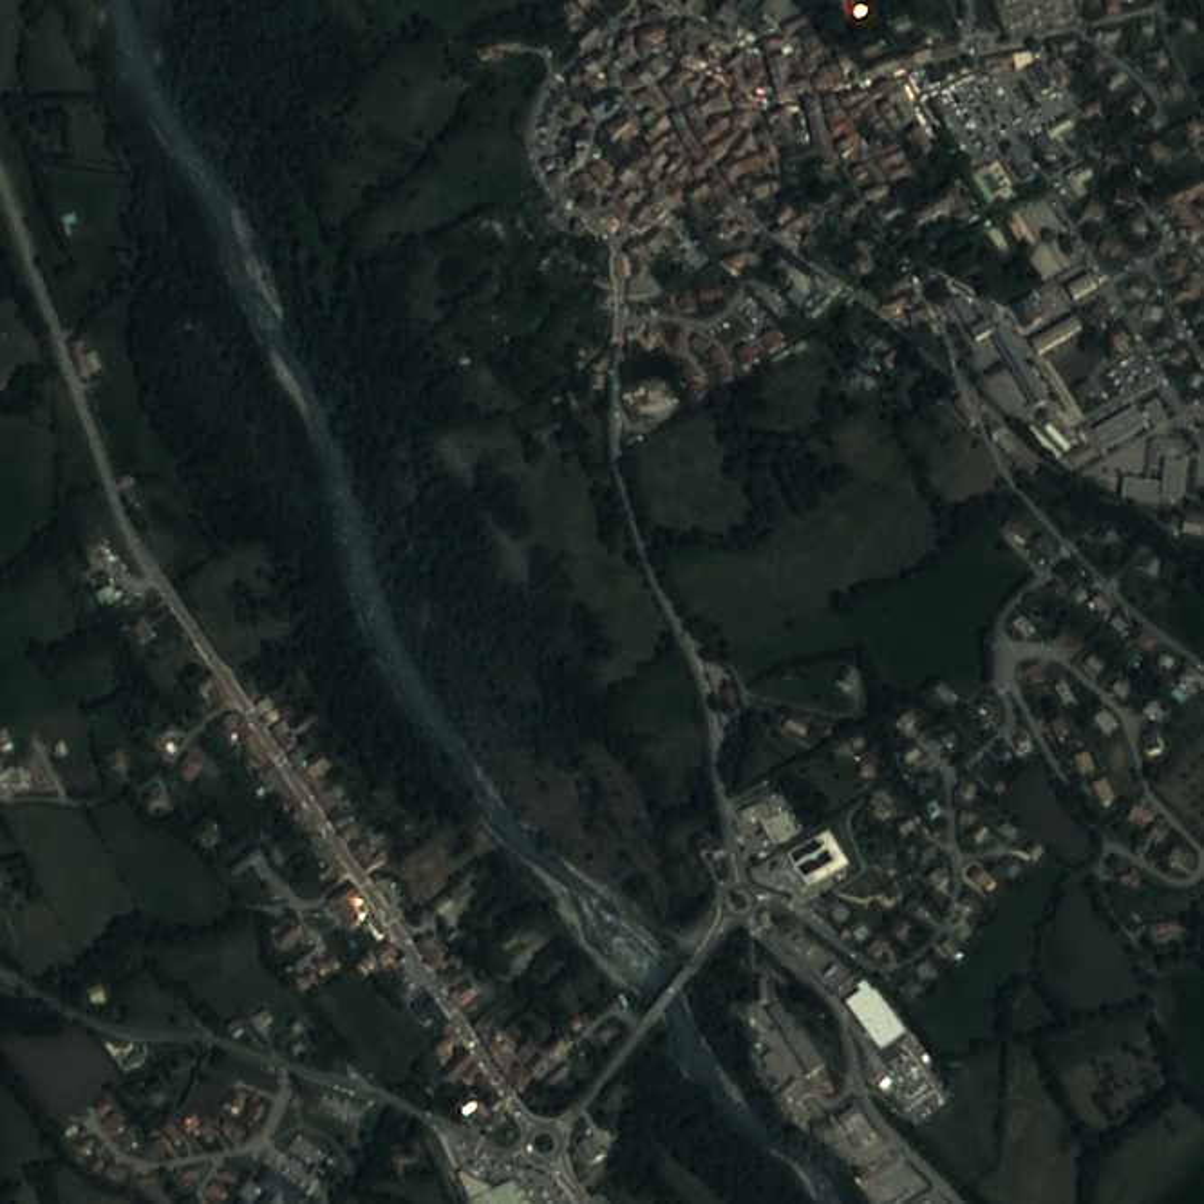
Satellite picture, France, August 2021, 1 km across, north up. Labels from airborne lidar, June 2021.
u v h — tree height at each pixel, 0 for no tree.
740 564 0
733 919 0
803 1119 0
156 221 20
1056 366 0
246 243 0
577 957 10
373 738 12
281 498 12
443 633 6
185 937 13
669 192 0
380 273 17
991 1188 0
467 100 12
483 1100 8
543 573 6
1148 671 7
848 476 17
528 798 0
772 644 0
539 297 11
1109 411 0
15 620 0
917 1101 0
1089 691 9
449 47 6
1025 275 11
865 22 9
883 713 18
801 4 15
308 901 0
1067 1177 0
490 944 8
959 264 16
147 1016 0
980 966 0
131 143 13
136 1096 8
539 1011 9
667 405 0
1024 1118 0
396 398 16
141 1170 0
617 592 0
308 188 8
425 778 19
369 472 16
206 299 15
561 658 7
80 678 0
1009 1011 17
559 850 6
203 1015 14
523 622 15
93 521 0
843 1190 8
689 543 15
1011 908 0
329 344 17
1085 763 0
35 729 0
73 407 0
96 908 0
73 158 7
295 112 13
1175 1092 13
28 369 10
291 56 7
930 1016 0
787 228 0
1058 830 0
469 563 12
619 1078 10
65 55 0
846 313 12
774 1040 0
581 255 7
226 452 14
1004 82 0
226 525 15
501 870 9
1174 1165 0
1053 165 8
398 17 0
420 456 7
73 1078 0
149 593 0
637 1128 12
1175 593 6
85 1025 7
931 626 0
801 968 0
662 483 0
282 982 6
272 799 7
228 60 17
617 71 0
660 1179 18
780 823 0
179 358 13
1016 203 9
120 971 6
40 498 0
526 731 7
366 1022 0
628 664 0
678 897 8
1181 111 0
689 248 0
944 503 15
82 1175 8
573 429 7
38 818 0
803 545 0
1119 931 14
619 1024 7
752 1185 11
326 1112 0
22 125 15
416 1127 16
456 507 12
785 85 0
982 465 0
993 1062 0
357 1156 15
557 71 0
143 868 0
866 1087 0
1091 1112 0
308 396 0
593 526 0
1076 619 7
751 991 8
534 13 13
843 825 0
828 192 14
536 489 0
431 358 12
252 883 0
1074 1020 13
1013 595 6
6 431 0
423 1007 0
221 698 0
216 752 6
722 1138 18
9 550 0
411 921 9
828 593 0
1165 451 0
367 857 0
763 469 13
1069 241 8
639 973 0
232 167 11
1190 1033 0
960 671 0
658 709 0
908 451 7
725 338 0
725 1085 0
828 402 10
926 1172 0
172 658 0
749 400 16
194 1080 8
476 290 14
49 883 0
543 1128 0
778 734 9
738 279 6
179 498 0
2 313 0
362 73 13
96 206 0
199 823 11
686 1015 0
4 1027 20
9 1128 0
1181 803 0
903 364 14
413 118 0
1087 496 14
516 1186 0
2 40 0
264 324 0
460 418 9
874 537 0
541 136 0
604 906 0
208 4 12
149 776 7
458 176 0
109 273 0
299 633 11
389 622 0
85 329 9
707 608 0
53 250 0
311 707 7
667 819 13
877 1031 0
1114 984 0
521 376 9
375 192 16
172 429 18
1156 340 7
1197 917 11
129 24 0
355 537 0
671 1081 11
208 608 0
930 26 0
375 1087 0
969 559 0
